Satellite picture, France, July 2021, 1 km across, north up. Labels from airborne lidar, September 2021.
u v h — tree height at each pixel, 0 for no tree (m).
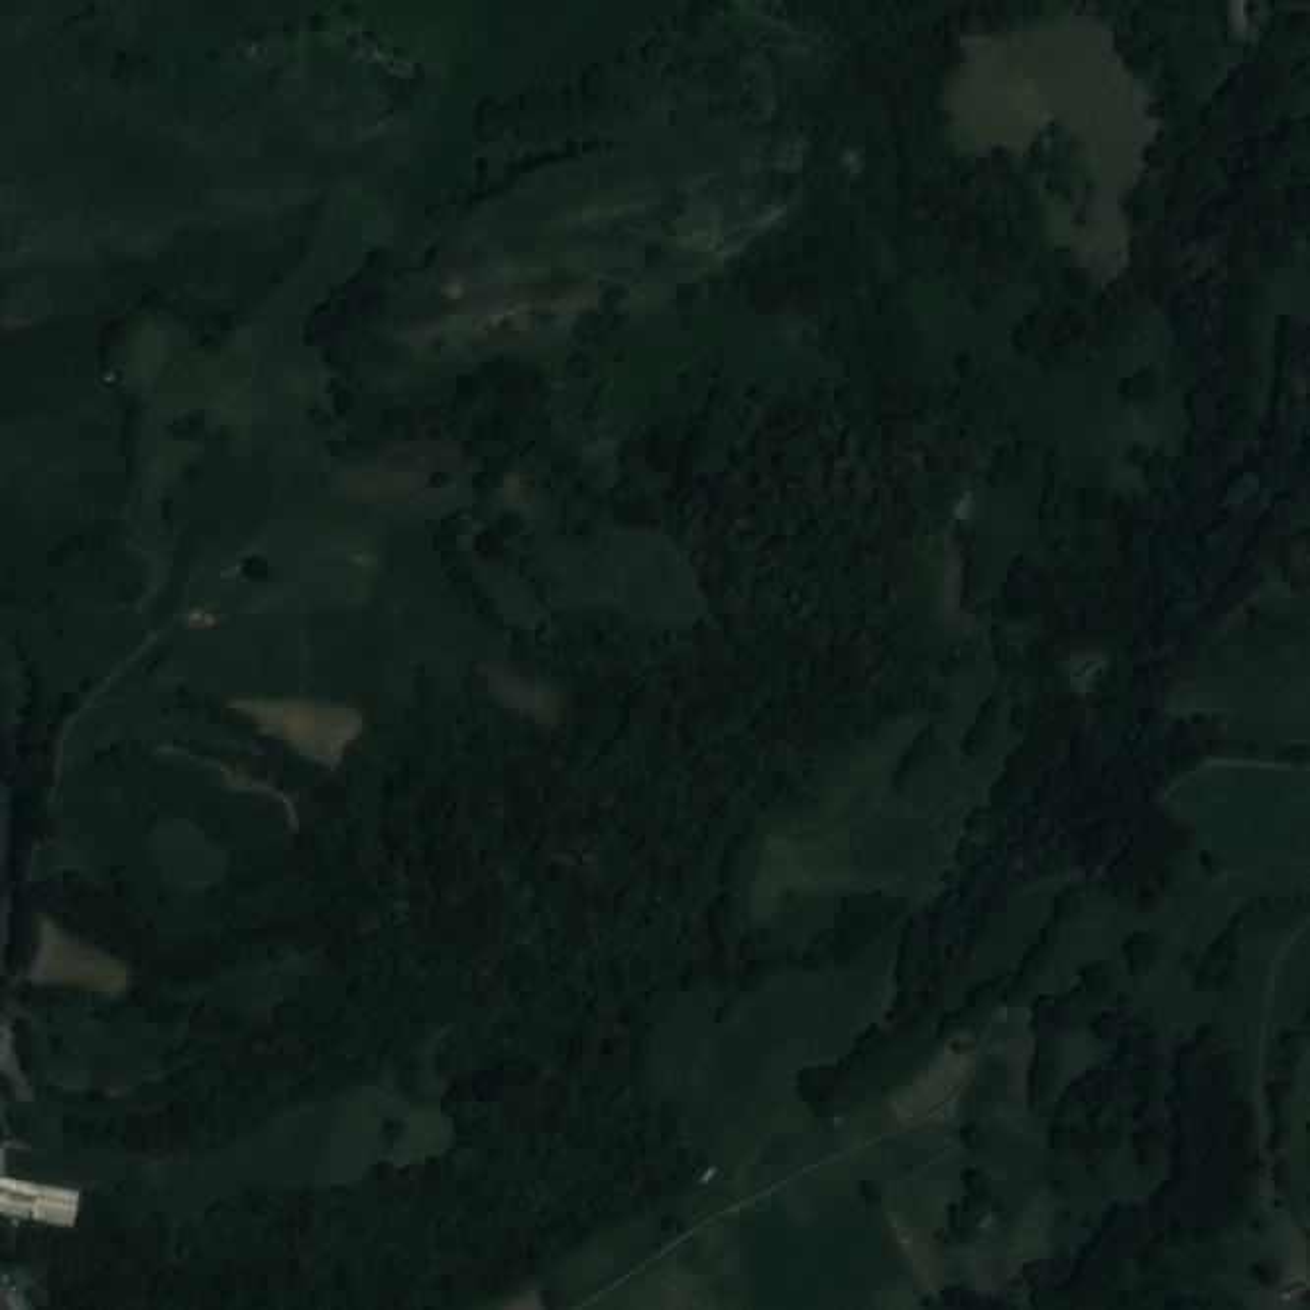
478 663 6
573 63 0
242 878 9
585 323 12
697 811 18
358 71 0
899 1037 10
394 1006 13
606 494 10
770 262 17
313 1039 17
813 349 8
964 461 24
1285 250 18
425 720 13
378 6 0
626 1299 0
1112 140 0
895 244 10
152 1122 9
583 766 15
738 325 0
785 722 9
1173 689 16
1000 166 10
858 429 27
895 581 17
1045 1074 18
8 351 0
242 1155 0
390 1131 11
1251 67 15
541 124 10
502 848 9
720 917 21
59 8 0
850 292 9
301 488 0
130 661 0
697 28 17
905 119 20
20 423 0
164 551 0
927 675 20
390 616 0
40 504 0
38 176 0
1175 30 0
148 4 0
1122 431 0
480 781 9
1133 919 0
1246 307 12
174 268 0
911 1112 0
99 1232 9
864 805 0
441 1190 23
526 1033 11
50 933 0
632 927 9
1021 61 0
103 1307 15
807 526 9
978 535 16
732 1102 0
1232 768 0
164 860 0
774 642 17
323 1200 12
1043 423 0
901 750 0
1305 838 0
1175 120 26
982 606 13
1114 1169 0
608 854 6
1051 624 15
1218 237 20
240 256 0
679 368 0
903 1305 0
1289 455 25
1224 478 9
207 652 0
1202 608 26
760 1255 0
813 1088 22
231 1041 8
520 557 12
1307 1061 0
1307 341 14
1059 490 13
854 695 24
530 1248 18
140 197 0
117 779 0
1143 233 18
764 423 8
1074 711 22
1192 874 0
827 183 12
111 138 0
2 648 0
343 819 16
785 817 0
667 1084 0
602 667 18
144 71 9
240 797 0
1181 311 20
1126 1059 18
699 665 15
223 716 9
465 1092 24
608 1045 8
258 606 0
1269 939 0
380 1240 8
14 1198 0
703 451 34
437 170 0
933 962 21
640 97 0
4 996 18
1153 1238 20
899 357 17
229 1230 21
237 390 0
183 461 0
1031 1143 0
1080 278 19
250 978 0
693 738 24
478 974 16
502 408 10
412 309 0
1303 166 12
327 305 9
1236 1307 9
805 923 0
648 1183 23
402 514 0
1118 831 16
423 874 13
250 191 0
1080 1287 17
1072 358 29
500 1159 17
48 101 0
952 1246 10
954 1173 0
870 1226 0
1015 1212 0
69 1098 6
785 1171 0
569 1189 7
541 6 0
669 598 0
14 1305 0
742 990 17
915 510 19
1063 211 0
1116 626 27
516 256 0
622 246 0
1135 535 12
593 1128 12
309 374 0
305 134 0
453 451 0
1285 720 0
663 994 23
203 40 0
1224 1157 27
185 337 0
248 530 0
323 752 0
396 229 0
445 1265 12
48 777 15
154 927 14
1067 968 0
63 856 0
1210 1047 17
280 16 0
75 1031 0
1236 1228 12
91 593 0
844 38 16
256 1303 11
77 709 13
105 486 0
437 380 0
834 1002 0
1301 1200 0
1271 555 24
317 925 9
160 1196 0
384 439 10
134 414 11
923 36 18
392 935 13
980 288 7
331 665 0
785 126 11
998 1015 0
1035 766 19
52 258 0
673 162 0
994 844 6
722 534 21
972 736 13
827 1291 0
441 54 0
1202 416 28
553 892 10
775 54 9
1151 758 13
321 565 0
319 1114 0
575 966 8
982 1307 14
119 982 0
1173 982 0
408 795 8
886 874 0
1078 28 0
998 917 30
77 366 0
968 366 22
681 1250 0
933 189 20
